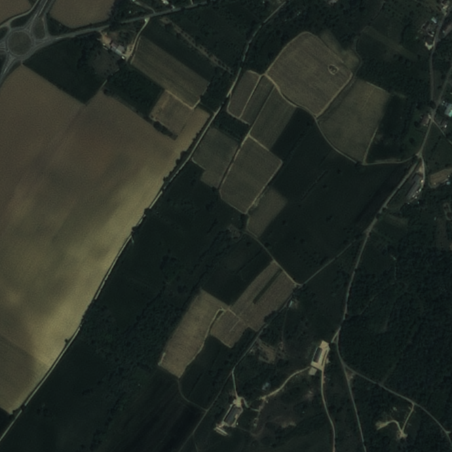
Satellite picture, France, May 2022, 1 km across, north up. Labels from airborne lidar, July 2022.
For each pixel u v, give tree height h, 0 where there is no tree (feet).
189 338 0
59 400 0
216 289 0
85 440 0
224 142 0
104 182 0
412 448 52
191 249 0
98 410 0
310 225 0
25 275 0
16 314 0
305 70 0
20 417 0
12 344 0
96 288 0
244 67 41
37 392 0
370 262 0
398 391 26
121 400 25
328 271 0
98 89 0
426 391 24
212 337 0
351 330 50
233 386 0
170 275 52
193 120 0
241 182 0
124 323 0
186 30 24
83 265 0
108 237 0
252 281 0
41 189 0
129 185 0
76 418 0
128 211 0
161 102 0
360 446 22
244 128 20
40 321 0
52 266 0
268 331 38
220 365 0
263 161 0
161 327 28
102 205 0
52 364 0
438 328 63
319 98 0
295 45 0
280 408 0
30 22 0
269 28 30
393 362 38
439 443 51
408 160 0
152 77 0
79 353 0
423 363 25
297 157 0
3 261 0
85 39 35
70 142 0
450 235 23
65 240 0
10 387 0
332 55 0
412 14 34
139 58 0
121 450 0
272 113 0
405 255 33
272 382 41
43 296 0
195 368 0
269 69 0
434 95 0
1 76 0
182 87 0
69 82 0
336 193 0
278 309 0
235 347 25
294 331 20
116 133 0
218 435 0
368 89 0
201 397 0
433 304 36
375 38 0
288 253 0
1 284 0
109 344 33
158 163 0
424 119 0
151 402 0
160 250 0
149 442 0
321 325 0
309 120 0
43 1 0
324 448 0
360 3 48
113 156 0
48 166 0
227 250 18
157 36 0
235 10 0
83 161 0
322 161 21
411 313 57
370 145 0
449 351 58
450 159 0
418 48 0
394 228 0
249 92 0
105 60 0
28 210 0
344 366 0
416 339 48
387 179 0
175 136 0
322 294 0
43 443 0
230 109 0
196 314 0
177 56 0
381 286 38
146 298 20
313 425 31
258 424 0
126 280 0
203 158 0
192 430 0
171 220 0
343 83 0
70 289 0
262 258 0
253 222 0
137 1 0
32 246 0
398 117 0
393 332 21
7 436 0
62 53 0
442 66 22
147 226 0
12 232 0
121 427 0
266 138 0
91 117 0
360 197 0
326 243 0
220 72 29
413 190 0
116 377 24
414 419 0
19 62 0
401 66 0
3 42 0
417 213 25
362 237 29
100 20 0
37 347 0
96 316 64
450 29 0
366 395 22
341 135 0
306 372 0
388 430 0
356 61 0
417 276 27
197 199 0
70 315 0
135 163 0
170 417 0
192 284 0
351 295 37
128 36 35
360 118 0
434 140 0
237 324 0
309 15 27
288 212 0
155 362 19
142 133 0
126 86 36
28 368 0
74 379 0
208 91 19
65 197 0
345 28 0
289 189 0
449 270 63
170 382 0
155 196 0
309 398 0
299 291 39
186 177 0
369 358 32
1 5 0
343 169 0
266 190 0
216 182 0
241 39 0
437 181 0
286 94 0
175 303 0
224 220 0
